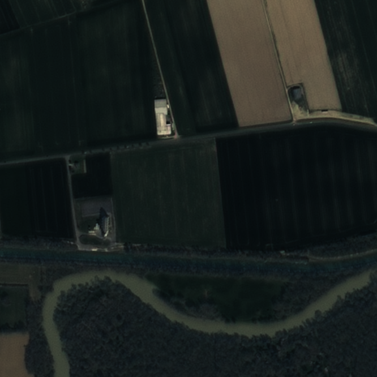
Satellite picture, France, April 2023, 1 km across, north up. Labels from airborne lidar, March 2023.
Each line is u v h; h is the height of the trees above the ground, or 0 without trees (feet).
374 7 0
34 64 0
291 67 0
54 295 0
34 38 0
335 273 31
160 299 42
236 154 0
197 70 0
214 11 0
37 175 0
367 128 0
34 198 0
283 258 56
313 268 0
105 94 0
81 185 0
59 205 0
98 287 29
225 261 0
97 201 0
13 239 45
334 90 0
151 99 0
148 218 0
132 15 0
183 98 0
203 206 0
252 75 0
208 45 0
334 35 0
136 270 35
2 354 0
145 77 0
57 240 46
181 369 71
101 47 0
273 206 0
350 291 0
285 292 62
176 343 73
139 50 0
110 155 0
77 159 0
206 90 0
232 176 0
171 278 0
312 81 0
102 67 0
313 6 0
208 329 0
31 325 69
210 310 83
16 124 0
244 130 0
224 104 0
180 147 0
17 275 0
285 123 0
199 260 0
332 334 61
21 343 0
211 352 33
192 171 0
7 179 0
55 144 0
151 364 34
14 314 0
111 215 0
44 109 0
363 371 78
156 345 71
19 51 0
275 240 0
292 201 0
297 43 0
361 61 0
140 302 36
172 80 0
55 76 0
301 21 0
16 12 0
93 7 0
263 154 0
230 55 0
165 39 0
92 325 38
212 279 0
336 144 0
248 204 0
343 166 0
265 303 0
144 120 0
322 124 0
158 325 80
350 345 74
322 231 0
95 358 75
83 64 0
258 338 24
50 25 0
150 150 0
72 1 0
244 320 0
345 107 0
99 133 0
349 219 0
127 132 0
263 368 35
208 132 0
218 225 0
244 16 0
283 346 57
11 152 0
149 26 0
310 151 0
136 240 0
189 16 0
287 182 0
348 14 0
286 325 0
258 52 0
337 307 19
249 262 0
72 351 50
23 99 0
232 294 0
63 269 33
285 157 0
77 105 0
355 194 0
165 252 57
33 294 0
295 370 66
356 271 72
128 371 72
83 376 31
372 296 41
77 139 0
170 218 0
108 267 48
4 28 0
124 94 0
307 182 0
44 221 0
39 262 55
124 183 0
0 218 0
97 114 0
